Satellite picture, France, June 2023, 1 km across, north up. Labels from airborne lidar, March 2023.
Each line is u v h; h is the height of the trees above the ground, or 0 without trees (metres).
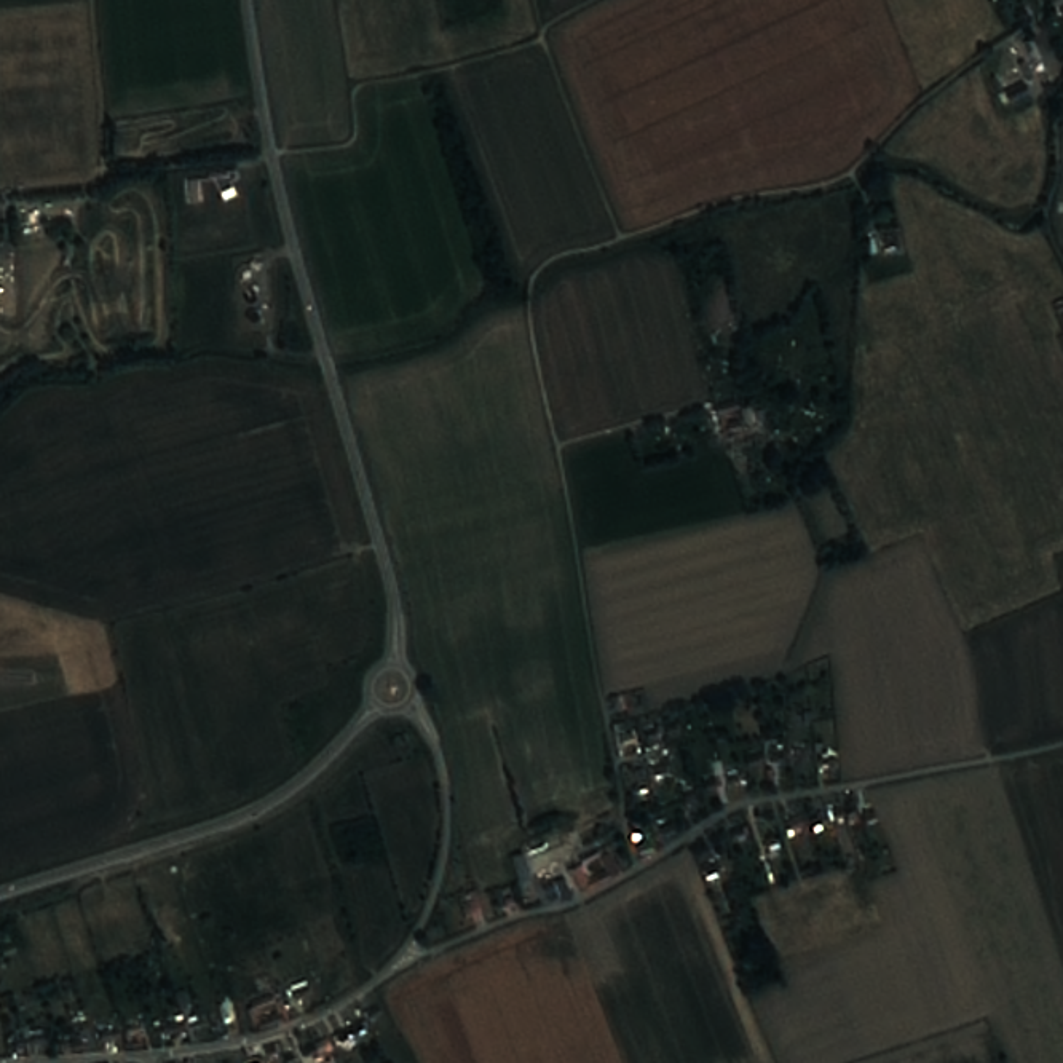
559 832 0
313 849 0
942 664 0
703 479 0
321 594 0
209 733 0
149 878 0
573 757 0
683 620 0
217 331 0
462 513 0
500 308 0
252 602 0
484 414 0
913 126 0
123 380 0
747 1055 0
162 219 0
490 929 0
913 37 0
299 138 0
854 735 0
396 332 0
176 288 0
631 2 0
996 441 0
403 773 0
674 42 0
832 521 0
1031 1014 0
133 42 0
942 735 0
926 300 0
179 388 0
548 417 0
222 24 0
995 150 0
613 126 0
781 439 0
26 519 0
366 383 0
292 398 0
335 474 0
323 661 0
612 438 0
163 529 0
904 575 0
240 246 0
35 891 0
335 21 0
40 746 0
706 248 6
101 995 0
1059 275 0
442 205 0
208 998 0
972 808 0
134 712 0
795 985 0
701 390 0
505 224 0
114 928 0
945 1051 0
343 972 0
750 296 0
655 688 0
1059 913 0
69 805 0
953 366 0
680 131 0
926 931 0
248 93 0
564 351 0
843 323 0
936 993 0
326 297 0
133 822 0
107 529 0
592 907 0
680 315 0
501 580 0
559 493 0
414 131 0
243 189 0
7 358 0
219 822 0
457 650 0
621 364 0
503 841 0
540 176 0
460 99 0
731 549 0
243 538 0
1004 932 0
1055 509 0
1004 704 0
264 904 0
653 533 0
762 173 0
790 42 0
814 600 0
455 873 0
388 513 0
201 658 0
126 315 0
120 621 0
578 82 0
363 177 0
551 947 0
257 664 0
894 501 0
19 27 0
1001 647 0
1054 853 0
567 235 0
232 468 0
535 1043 0
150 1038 0
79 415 0
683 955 0
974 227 0
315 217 0
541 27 0
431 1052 0
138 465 0
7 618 0
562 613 0
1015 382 0
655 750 0
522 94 0
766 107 0
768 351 0
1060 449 0
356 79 0
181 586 0
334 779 0
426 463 0
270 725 0
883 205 14
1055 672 0
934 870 0
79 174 0
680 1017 0
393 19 0
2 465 0
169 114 0
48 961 0
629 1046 0
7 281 0
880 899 0
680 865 0
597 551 0
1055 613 0
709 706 21
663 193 0
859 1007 0
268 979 0
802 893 0
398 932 0
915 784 0
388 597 0
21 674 0
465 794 0
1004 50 0
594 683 0
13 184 0
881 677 0
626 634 0
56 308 0
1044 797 0
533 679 0
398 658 0
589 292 0
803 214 0
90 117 0
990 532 0
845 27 0
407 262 0
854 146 0
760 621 0
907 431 0
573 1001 0
